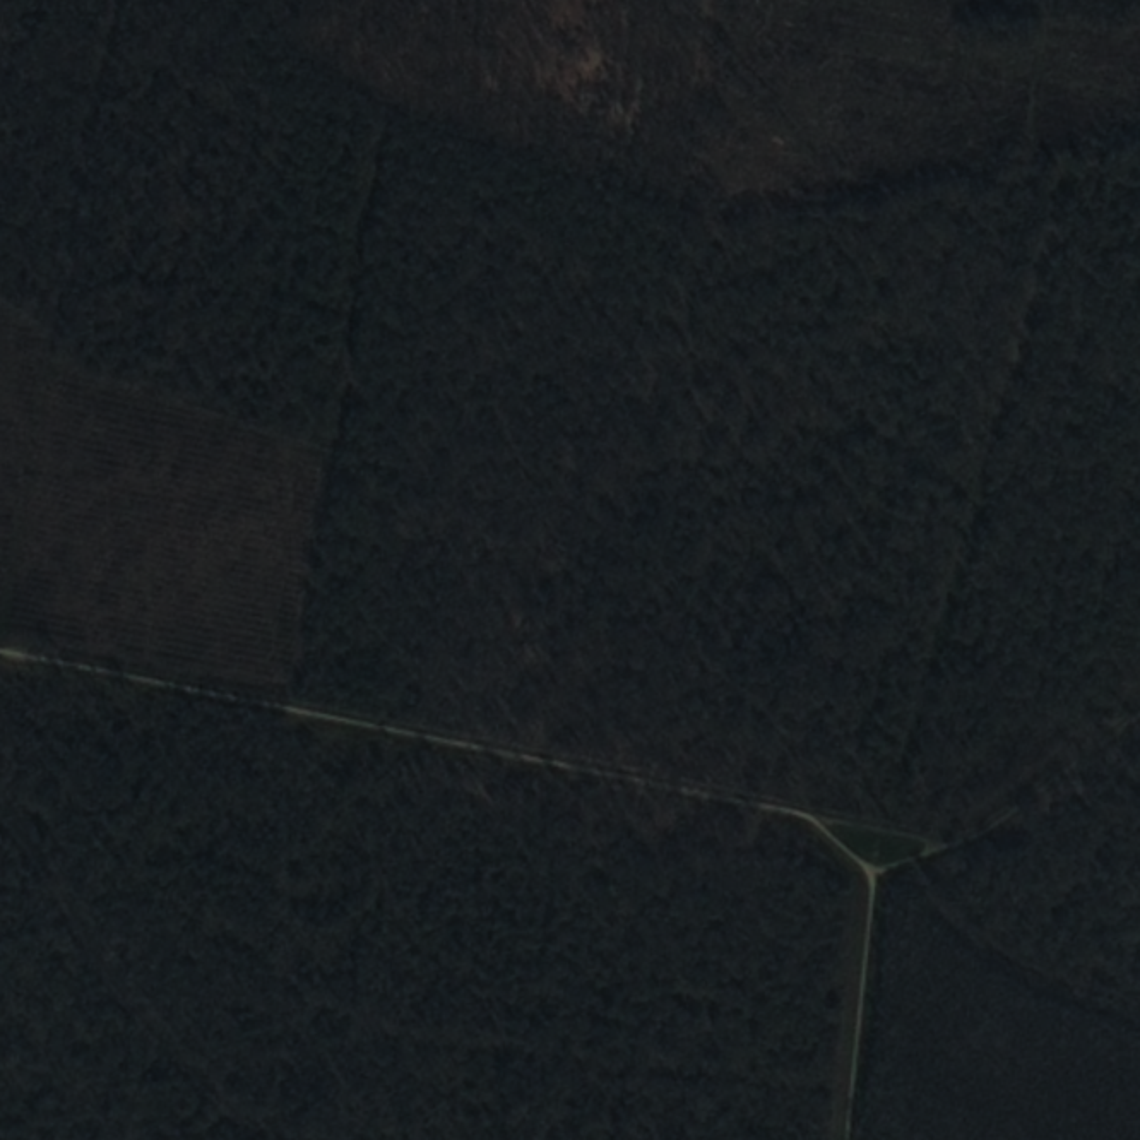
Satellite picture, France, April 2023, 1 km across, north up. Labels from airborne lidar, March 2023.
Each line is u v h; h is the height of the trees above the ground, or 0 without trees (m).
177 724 23
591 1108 20
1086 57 0
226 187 21
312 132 21
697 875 23
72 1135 22
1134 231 20
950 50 0
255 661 0
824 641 25
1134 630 17
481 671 27
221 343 20
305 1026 13
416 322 24
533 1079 20
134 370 22
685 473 24
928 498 29
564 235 25
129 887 14
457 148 19
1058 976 17
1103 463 17
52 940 25
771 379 24
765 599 20
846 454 21
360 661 15
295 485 0
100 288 20
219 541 0
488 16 19
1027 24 25
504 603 25
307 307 25
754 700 22
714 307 22
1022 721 18
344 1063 23
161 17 19
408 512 21
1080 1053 24
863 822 21
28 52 27
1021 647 19
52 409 0
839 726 18
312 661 14
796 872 19
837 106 0
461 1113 21
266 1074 20
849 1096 0
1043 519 23
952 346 25
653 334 26
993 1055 23
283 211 25
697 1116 23
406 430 27
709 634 18
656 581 23
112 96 22
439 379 22
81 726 10
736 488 19
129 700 25
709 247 24
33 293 26
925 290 26
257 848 20
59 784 28
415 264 22
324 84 20
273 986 22
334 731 0
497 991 22
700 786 20
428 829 24
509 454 26
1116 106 0
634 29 13
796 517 25
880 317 15
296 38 22
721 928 25
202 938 21
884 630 23
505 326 25
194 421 0
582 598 23
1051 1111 23
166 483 0
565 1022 21
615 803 24
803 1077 27
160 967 22
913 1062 20
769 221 23
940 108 0
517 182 24
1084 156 25
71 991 24
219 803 24
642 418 25
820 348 26
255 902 23
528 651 26
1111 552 19
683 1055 22
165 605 0
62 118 21
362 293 21
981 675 27
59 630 0
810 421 20
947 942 23
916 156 0
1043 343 24
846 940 11
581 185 18
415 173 18
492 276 18
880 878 0
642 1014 21
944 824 24
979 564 24
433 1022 26
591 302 14
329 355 16
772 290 26
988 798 21
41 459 0
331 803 10
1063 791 25
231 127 17
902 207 22
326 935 28
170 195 29
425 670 24
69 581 0
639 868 20
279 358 17
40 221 26
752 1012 23
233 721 23
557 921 19
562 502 27
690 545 22
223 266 27
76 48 16
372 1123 28
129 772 29
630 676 25
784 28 0
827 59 0
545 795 22
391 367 26
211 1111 19
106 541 0
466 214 22
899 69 0
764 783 21
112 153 21
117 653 0
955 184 23
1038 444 18
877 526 19
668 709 23
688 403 27
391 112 21
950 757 23
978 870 25
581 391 23
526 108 14
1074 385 22
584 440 19
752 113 0
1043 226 25
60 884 24
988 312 21
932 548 27
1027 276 23
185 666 0
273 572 0
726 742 25
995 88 0
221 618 0
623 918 30
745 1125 18
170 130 16
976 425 23
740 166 0
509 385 19
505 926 23
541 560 23
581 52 18
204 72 22
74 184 22
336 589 22
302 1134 19
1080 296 24
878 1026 10
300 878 22
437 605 20
